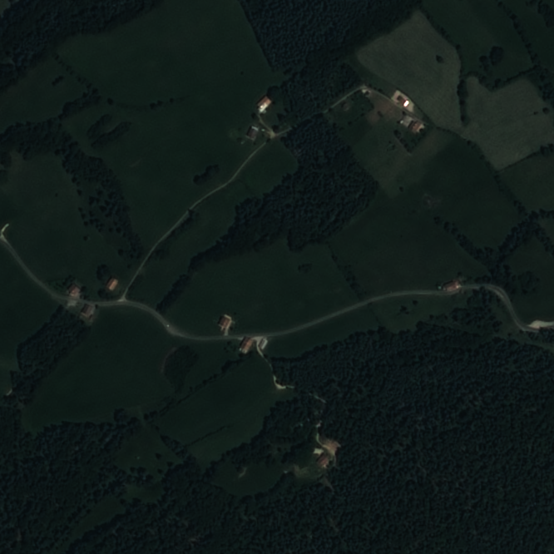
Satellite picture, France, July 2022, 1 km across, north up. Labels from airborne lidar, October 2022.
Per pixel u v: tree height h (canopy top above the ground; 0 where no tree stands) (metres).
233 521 20
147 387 0
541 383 22
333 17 29
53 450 19
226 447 0
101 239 0
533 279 16
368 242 0
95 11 23
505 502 17
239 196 0
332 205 16
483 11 0
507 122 0
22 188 0
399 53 0
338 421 19
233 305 0
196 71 0
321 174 8
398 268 0
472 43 0
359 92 10
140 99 0
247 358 6
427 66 0
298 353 0
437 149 0
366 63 0
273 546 20
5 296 0
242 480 0
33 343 16
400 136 13
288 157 0
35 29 7
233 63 0
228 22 0
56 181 0
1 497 29
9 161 19
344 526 16
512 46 0
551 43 0
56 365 18
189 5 0
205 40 0
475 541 17
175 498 17
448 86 0
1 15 0
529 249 0
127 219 17
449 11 0
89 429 25
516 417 20
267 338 0
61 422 0
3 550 21
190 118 0
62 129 12
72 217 0
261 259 0
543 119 0
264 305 0
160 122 0
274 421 17
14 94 0
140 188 0
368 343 26
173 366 6
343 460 15
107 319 0
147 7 20
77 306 0
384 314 0
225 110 0
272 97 18
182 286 19
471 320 10
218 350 0
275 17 29
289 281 0
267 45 20
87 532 0
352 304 0
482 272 0
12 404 17
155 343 0
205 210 0
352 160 17
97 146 7
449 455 22
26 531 19
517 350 16
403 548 21
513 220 0
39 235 0
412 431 23
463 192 0
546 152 17
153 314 0
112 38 0
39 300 0
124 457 0
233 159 0
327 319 0
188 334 0
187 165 0
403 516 25
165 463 0
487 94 0
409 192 0
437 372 22
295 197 11
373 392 20
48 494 26
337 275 0
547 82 10
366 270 0
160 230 0
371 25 14
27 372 17
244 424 0
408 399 25
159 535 10
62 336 17
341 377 21
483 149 0
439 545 15
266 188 0
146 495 0
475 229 0
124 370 0
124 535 23
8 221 0
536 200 0
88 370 0
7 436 23
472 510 9
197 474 23
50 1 20
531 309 0
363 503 17
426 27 0
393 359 26
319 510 5
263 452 19
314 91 19
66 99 0
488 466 27
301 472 0
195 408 0
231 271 0
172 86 0
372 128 0
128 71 0
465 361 16
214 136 0
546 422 18
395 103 0
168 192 0
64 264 0
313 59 26
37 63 17
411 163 0
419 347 20
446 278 0
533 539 24
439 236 0
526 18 0
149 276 0
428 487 23
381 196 0
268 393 0
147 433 0
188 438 0
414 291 0
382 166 0
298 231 13
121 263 0
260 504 23
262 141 0
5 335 0
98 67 0
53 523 18
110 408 0
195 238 0
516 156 0
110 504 0
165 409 6
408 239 0
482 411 15
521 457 9
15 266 0
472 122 0
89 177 6
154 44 0
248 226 22
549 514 31
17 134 20
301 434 16
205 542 26
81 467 22
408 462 24
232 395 0
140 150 0
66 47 0
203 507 21
